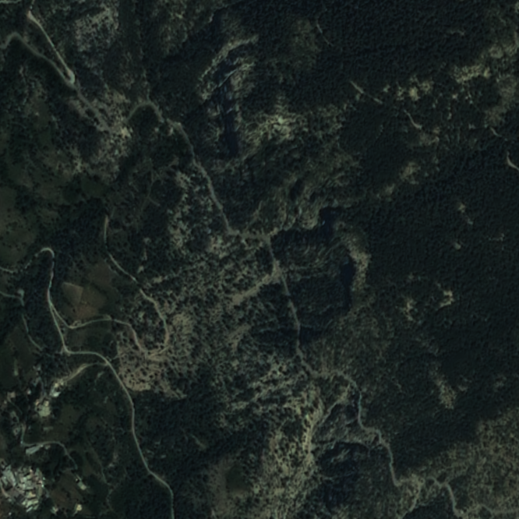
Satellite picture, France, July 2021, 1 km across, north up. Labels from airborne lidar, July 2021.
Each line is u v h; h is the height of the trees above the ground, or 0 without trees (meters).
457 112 8
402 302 12
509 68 11
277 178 8
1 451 0
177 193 14
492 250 7
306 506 8
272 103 11
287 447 13
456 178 16
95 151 10
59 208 9
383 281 13
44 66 10
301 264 9
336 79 11
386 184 6
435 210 11
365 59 14
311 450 0
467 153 13
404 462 6
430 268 13
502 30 8
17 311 15
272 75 9
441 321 10
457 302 7
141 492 8
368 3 12
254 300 9
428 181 12
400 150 13
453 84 7
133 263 7
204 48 18
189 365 9
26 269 8
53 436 0
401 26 15
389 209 9
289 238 14
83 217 19
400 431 8
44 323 10
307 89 12
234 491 0
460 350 14
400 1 10
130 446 6
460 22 13
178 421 9
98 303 0
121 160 15
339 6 18
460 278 15
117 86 17
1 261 7
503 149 10
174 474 11
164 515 12
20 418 7
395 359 7
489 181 9
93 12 8
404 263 15
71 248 11
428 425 6
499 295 14
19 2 9
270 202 13
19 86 8
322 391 8
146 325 7
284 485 13
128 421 7
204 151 14
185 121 21
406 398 7
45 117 0
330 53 12
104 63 12
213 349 7
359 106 11
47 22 15
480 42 9
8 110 6
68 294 0
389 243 11
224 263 10
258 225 12
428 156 9
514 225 10
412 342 8
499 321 10
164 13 11
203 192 11
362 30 16
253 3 10
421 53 12
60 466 7
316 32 7
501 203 13
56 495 0
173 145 9
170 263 11
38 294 9
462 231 9
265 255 11
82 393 6
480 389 11
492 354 13
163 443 12
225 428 5
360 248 0
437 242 13
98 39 7
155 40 15
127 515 10
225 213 13
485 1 8
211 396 12
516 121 11
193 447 10
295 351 8
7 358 0
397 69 12
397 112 11
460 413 9
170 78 16
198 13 8
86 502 6
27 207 16
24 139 17
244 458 10
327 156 8
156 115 12
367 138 9
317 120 8
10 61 14
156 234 11
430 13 8
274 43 15
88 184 0
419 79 9
